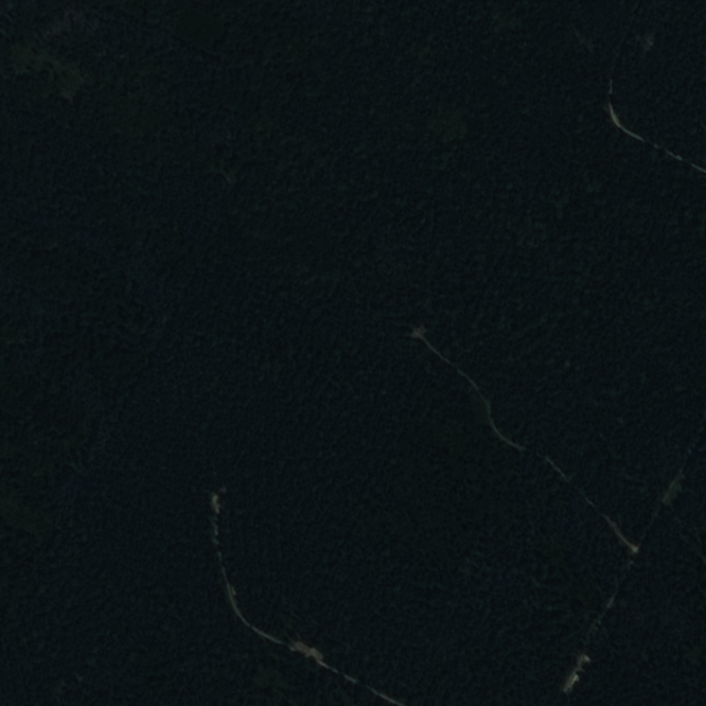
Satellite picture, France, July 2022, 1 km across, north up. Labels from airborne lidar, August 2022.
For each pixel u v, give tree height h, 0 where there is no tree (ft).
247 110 60
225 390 43
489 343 58
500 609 45
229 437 46
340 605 57
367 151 45
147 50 66
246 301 32
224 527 45
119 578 58
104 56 84
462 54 58
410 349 46
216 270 53
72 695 58
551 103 55
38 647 52
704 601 53
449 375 65
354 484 63
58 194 76
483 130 65
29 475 37
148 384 46
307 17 65
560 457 43
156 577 45
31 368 31
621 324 58
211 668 63
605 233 48
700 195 58
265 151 58
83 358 51
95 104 27
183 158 50
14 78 49
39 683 41
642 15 58
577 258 76
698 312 57
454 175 41
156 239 48
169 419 61
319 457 49
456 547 26
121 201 58
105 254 85
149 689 48
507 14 52
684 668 63
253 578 73
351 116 51
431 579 34
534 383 59
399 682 48
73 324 33
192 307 66
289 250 52
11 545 44
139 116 45
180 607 52
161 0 48
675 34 57
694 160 71
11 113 45
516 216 51
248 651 55
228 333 39
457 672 35
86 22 73
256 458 52
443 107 46
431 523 28
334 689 83
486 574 56
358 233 64
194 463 61
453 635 60
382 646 64
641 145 61
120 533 58
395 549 45
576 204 51
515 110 57
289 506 42
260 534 64
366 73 60
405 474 19
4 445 52
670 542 80
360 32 57
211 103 61
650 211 47
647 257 42
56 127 58
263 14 62
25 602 55
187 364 59
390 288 38
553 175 52
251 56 52
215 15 64
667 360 73
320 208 40
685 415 29
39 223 71
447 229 49
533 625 58
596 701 67
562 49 45
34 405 49
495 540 46
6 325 25
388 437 43
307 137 51
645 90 61
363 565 55
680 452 83
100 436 73
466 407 47
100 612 52
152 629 52
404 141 49
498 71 56
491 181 61
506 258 36
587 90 76
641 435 54
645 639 72
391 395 58
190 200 72
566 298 50
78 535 58
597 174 56
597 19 72
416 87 53
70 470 80
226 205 72
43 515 52
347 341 56
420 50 45
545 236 55
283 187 47
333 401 55
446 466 44
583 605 68
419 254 55
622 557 33
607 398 75
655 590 71
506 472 27
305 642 23
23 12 52
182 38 26
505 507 22
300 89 49
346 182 36
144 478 51
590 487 55
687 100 61
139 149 38
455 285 31
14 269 43
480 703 76
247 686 60
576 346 47
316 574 54
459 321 47
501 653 54
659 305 55
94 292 40
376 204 45
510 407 63
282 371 49
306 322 64
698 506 73
